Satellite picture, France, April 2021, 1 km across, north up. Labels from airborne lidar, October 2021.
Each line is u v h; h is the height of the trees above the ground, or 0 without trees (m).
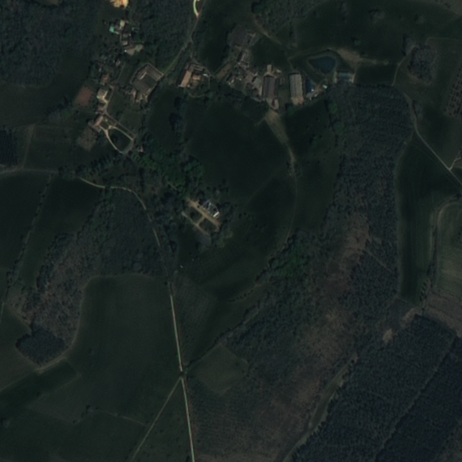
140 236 20
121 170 0
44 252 0
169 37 22
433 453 9
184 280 7
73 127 0
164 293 0
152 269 12
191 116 0
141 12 10
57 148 0
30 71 21
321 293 17
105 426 0
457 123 0
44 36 16
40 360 18
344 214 18
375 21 9
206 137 0
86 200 0
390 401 16
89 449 0
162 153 22
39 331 18
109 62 6
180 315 6
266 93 0
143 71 0
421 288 0
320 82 0
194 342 6
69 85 0
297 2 6
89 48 14
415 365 10
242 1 0
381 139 15
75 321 20
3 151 10
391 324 8
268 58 0
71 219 0
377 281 24
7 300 8
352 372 11
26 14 21
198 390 7
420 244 0
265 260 0
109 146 0
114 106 0
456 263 0
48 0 0
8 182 0
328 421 7
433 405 13
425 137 0
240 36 0
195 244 0
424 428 13
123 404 0
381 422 17
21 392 0
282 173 0
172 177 22
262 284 17
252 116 0
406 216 0
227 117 0
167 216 23
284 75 0
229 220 15
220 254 7
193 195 8
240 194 0
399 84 0
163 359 0
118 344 0
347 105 19
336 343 8
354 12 0
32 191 0
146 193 9
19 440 0
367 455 15
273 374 16
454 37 0
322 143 0
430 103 0
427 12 0
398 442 13
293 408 0
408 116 12
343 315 10
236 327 8
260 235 0
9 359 0
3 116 0
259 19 16
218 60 0
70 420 0
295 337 17
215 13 0
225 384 0
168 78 6
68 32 20
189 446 0
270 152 0
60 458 0
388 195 16
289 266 18
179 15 22
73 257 20
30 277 0
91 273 21
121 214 21
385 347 6
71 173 19
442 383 10
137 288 0
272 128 0
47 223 0
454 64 0
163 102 0
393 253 21
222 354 0
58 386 0
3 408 0
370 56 0
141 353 0
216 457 6
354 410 8
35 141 0
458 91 0
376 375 10
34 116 0
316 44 0
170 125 0
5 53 13
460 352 21
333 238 7
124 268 14
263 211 0
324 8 0
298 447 0
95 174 17
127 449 0
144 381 0
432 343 17
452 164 0
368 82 0
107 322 0
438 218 0
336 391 0
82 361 0
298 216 0
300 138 0
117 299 0
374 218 14
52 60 16
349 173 15
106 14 0
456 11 0
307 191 0
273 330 21
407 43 19
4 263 0
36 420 0
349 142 19
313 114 0
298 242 24
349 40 0
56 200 0
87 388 0
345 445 13
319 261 21
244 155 0
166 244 9
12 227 0
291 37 12
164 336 0
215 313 0
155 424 7
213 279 0
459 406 12
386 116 17
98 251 6
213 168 0
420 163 0
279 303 7
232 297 0
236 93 7
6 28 15
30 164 0
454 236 0
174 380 0
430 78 19
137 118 0
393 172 25
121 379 0
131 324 0
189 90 11
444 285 0
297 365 11
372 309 27
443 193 0
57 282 19
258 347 12
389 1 0
